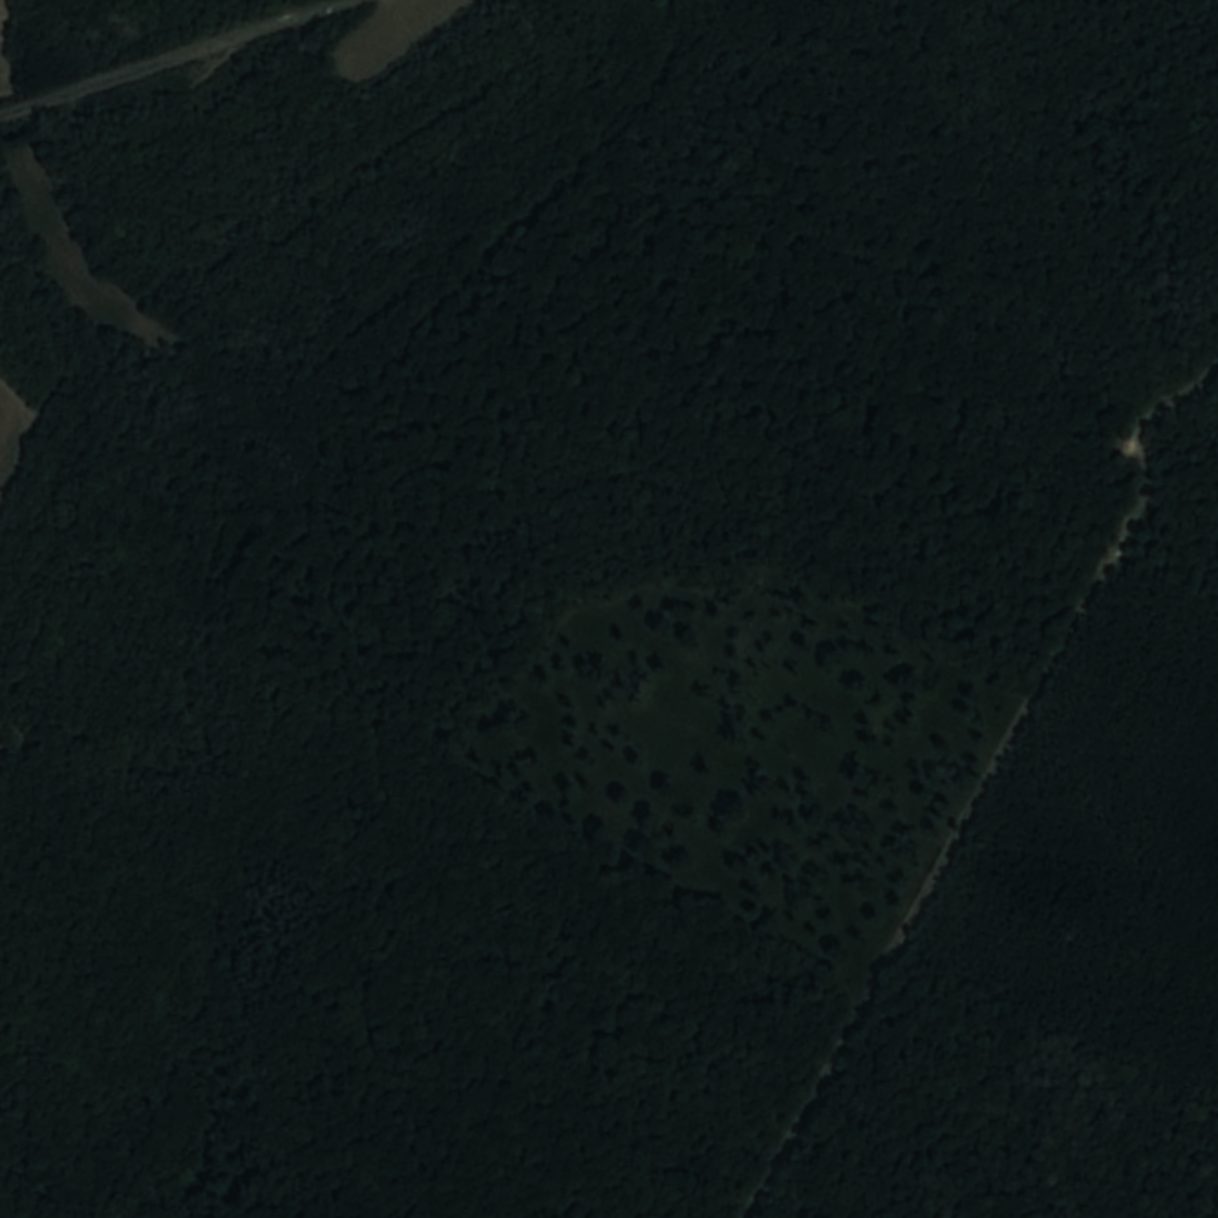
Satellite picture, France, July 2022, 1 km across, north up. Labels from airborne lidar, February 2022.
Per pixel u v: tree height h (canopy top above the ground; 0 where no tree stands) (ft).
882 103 64
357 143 57
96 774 59
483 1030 83
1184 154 73
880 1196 71
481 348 77
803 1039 72
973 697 72
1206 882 52
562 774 0
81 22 25
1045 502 79
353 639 66
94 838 74
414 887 77
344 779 86
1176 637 52
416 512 73
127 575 61
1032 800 47
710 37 60
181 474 69
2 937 75
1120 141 111
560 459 62
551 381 75
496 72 41
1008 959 50
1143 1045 45
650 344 79
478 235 66
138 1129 67
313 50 50
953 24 55
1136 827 48
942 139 75
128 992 69
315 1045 83
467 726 81
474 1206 79
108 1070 68
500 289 76
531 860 83
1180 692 48
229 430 78
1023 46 67
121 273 62
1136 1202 79
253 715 60
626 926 90
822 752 0
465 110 49
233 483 72
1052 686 49
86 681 58
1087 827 46
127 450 65
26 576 43
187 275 29
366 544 78
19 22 25
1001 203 69
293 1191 79
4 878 59
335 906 73
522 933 85
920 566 71
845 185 77
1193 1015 46
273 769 61
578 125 72
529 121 51
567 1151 81
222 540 25
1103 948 44
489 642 66
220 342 50
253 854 69
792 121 73
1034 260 67
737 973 79
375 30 0
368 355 75
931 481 51
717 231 93
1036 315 67
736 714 71
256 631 82
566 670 72
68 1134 55
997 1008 79
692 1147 70
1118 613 54
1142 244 63
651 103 48
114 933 54
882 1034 85
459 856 99
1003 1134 62
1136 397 83
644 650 0
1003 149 71
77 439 37
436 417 92
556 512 62
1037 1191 73
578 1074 67
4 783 60
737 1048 74
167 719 56
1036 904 48
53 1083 64
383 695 70
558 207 70
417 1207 78
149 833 59
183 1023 58
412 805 86
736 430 81
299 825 75
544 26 31
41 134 62
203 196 51
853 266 74
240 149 46
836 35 57
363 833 68
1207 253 71
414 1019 79
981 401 78
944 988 69
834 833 72
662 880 86
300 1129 89
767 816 0
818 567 88
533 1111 72
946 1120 93
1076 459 71
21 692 52
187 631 46
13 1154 56
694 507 54
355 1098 98
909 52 62
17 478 37
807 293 87
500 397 73
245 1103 63
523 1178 85
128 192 44
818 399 93
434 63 52
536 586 72
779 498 66
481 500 70
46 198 0
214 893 61
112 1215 70
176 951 63
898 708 0
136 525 75
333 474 70
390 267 58
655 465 59
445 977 81
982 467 83
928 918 49
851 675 0
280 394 50
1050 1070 73
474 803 85
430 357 79
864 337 73
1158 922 41
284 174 58
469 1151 81
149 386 72
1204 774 50
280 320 56
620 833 0
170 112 43
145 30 28
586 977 81
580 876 82
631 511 63
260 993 85
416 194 34
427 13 0
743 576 64
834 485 72
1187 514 73
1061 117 72
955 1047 75
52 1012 60
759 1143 69
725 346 76
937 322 89
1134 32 72
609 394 79
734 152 87
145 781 58
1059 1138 73
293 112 43
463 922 77
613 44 56
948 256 79
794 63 68
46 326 81
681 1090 72
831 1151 75
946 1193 79
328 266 56
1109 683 44
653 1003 75
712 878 0
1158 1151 76
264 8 37
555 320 82
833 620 0
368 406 95
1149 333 69
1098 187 56
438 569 80
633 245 90
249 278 55
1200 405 55
